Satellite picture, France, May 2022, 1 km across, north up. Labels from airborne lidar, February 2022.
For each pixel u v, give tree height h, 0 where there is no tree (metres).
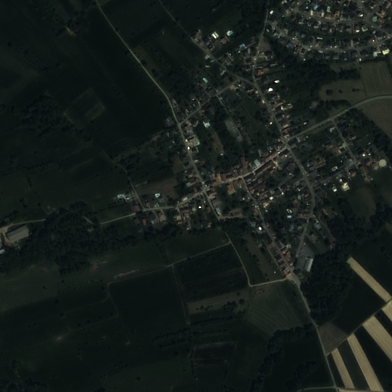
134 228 0
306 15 0
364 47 0
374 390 0
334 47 0
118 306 0
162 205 0
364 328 0
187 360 0
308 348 0
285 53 20
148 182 6
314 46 0
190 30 0
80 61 0
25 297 0
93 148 0
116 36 0
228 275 0
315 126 0
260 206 0
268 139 0
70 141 0
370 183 0
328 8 0
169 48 0
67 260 26
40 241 23
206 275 0
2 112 15
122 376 0
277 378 0
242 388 0
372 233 21
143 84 0
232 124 0
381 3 0
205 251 0
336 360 0
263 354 0
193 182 0
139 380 8
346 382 0
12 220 11
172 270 0
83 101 0
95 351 0
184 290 0
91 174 0
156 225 0
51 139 0
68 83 0
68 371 0
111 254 0
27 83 0
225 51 0
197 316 0
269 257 0
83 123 0
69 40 0
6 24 0
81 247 28
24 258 24
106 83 0
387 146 19
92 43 0
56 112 19
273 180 10
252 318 0
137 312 0
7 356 0
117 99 0
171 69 0
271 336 0
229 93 0
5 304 0
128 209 0
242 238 0
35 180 0
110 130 0
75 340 0
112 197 0
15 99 0
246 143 0
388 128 0
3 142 0
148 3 0
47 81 0
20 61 0
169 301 0
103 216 0
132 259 0
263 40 0
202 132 0
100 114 0
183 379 0
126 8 0
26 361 0
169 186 0
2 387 24
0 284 0
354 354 0
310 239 0
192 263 0
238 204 13
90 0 0
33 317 0
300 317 0
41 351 0
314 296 30
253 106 0
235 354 0
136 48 0
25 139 0
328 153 0
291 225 0
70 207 0
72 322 0
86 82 0
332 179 0
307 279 0
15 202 0
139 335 0
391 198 0
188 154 0
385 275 0
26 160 0
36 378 0
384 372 0
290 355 0
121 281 0
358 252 0
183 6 0
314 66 12
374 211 0
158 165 0
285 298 0
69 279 0
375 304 0
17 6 0
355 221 25
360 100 0
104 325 0
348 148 0
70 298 0
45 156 0
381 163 0
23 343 0
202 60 0
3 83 0
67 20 0
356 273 0
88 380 0
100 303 0
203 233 11
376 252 0
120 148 0
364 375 0
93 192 0
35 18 0
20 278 0
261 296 0
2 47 0
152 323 0
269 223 12
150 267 0
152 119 0
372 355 0
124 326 0
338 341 0
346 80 10
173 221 0
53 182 0
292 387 24
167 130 6
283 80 8
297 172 19
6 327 0
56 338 0
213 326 0
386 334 0
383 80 0
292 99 0
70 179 0
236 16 0
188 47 0
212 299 0
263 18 15
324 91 0
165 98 0
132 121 0
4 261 25
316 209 9
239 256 0
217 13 0
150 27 0
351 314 0
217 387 0
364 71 0
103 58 0
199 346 0
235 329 0
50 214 0
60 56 0
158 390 0
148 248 0
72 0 0
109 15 0
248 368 0
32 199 0
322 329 0
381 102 0
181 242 0
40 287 0
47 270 0
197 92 12
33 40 0
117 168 7
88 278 0
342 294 23
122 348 0
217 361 0
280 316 0
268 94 6
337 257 25
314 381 0
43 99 15
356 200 0
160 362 0
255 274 0
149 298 0
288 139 0
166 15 0
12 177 0
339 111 0
